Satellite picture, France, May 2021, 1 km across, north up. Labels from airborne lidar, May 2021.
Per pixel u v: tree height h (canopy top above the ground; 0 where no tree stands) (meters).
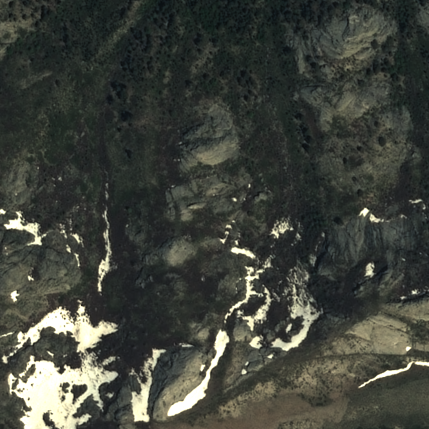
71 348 0
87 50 8
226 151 0
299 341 0
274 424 0
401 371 0
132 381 0
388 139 0
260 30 11
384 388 0
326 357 0
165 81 0
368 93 0
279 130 0
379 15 0
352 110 0
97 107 0
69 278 0
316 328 0
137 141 0
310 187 0
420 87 0
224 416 0
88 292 0
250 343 0
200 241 0
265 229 0
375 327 0
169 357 0
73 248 0
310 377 0
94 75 0
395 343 0
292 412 0
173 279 0
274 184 0
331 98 0
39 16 0
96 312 0
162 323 0
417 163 0
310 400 0
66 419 0
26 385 0
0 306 0
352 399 0
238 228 0
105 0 7
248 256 0
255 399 0
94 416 0
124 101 7
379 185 0
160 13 18
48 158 0
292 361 0
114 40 0
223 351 0
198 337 0
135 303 0
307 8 23
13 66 0
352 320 0
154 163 0
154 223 0
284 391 0
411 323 0
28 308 0
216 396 0
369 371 0
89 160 7
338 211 0
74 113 0
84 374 0
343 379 0
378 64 15
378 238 0
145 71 17
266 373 0
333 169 0
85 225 0
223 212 0
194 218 0
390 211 0
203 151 0
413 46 0
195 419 0
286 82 0
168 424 0
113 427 0
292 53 26
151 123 0
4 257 0
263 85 8
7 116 0
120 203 0
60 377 0
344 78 11
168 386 0
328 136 0
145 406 0
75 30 7
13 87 0
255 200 0
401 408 0
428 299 0
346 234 0
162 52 13
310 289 9
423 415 0
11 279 0
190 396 0
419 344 0
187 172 0
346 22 0
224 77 14
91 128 0
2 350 0
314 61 10
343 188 0
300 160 0
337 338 0
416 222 0
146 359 9
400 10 8
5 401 0
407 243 0
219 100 0
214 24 13
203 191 0
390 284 0
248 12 29
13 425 0
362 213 0
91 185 0
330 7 18
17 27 0
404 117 0
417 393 0
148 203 0
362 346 0
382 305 0
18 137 0
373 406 0
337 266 0
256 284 0
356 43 0
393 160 0
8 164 0
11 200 0
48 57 9
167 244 0
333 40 0
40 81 0
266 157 0
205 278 0
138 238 0
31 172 0
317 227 11
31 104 0
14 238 0
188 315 0
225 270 0
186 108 0
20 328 0
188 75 0
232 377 0
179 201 0
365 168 0
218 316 0
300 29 21
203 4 7
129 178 0
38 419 0
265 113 0
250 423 0
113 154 0
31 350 0
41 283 0
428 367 0
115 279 0
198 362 0
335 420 0
